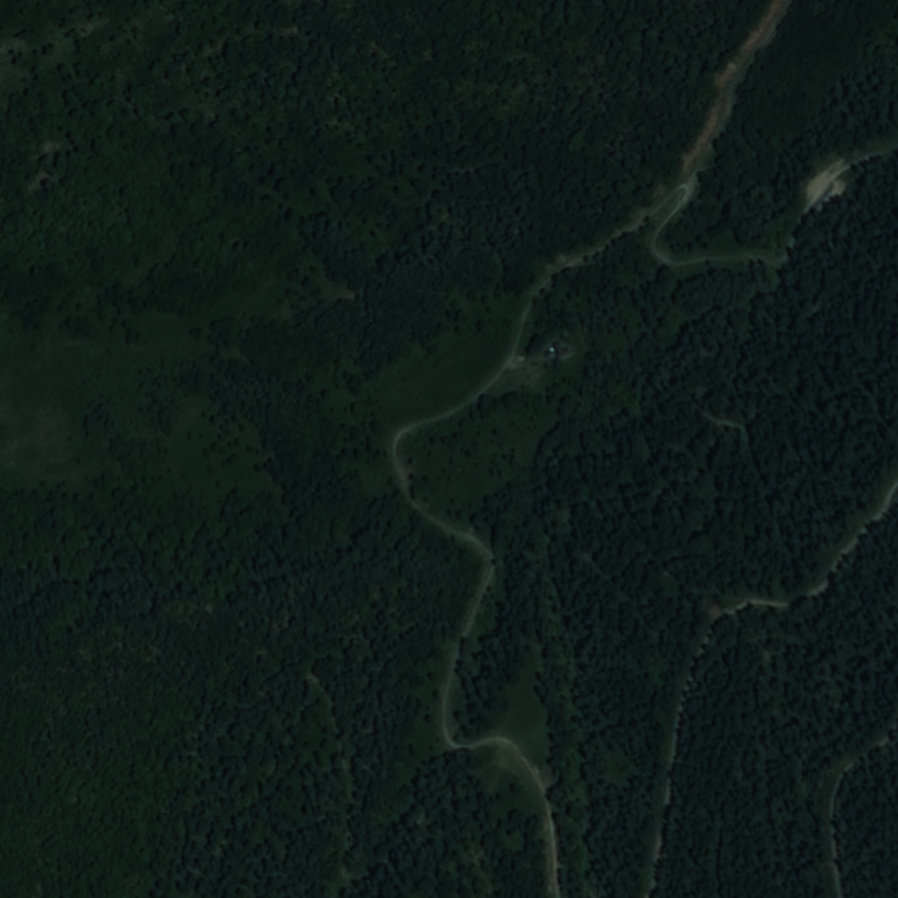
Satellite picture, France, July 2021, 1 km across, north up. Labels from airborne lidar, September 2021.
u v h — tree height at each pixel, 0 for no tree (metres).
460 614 19
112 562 17
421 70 9
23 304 15
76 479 0
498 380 0
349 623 15
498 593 6
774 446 19
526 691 0
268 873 26
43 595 31
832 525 12
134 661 16
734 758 19
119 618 21
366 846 18
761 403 18
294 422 20
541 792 0
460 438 15
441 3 17
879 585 12
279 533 29
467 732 21
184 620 9
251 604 11
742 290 13
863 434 16
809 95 20
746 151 21
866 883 16
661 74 19
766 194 11
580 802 12
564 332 10
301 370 21
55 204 23
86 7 7
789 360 15
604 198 29
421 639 25
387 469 0
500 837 17
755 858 11
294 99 23
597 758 16
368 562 28
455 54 13
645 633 15
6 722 17
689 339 27
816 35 18
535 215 25
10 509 28
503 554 11
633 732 17
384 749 29
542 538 18
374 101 7
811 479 16
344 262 21
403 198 6
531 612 22
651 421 11
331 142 8
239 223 23
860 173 19
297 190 9
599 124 26
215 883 14
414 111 16
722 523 14
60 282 24
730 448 15
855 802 12
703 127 21
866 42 8
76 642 13
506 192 14
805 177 21
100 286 12
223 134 24
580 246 21
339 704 24
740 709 16
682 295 15
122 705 17
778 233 9
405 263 25
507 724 0
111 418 11
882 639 11
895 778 12
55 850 16
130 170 13
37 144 14
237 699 7
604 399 6
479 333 7
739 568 19
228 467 11
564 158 14
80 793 14
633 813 22
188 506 13
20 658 13
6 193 9
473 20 16
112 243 22
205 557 23
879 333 10
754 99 22
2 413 0
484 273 24
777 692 11
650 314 20
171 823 14
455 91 18
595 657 15
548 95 12
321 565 24
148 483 22
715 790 18
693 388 14
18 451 0
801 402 17
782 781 17
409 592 12
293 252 17
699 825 18
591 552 16
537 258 19
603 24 13
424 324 20
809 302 20
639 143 22
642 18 7
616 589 15
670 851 14
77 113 25
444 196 26
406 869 24
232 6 19
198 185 14
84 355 0
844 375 21
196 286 20
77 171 23
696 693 11
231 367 11
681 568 19
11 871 15
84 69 23
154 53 6
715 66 30
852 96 24
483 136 18
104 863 18
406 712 21
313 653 12
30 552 25
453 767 24
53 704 12
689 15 25
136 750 18
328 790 27
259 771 13
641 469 25
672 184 6
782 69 13
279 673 18
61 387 0
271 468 14
